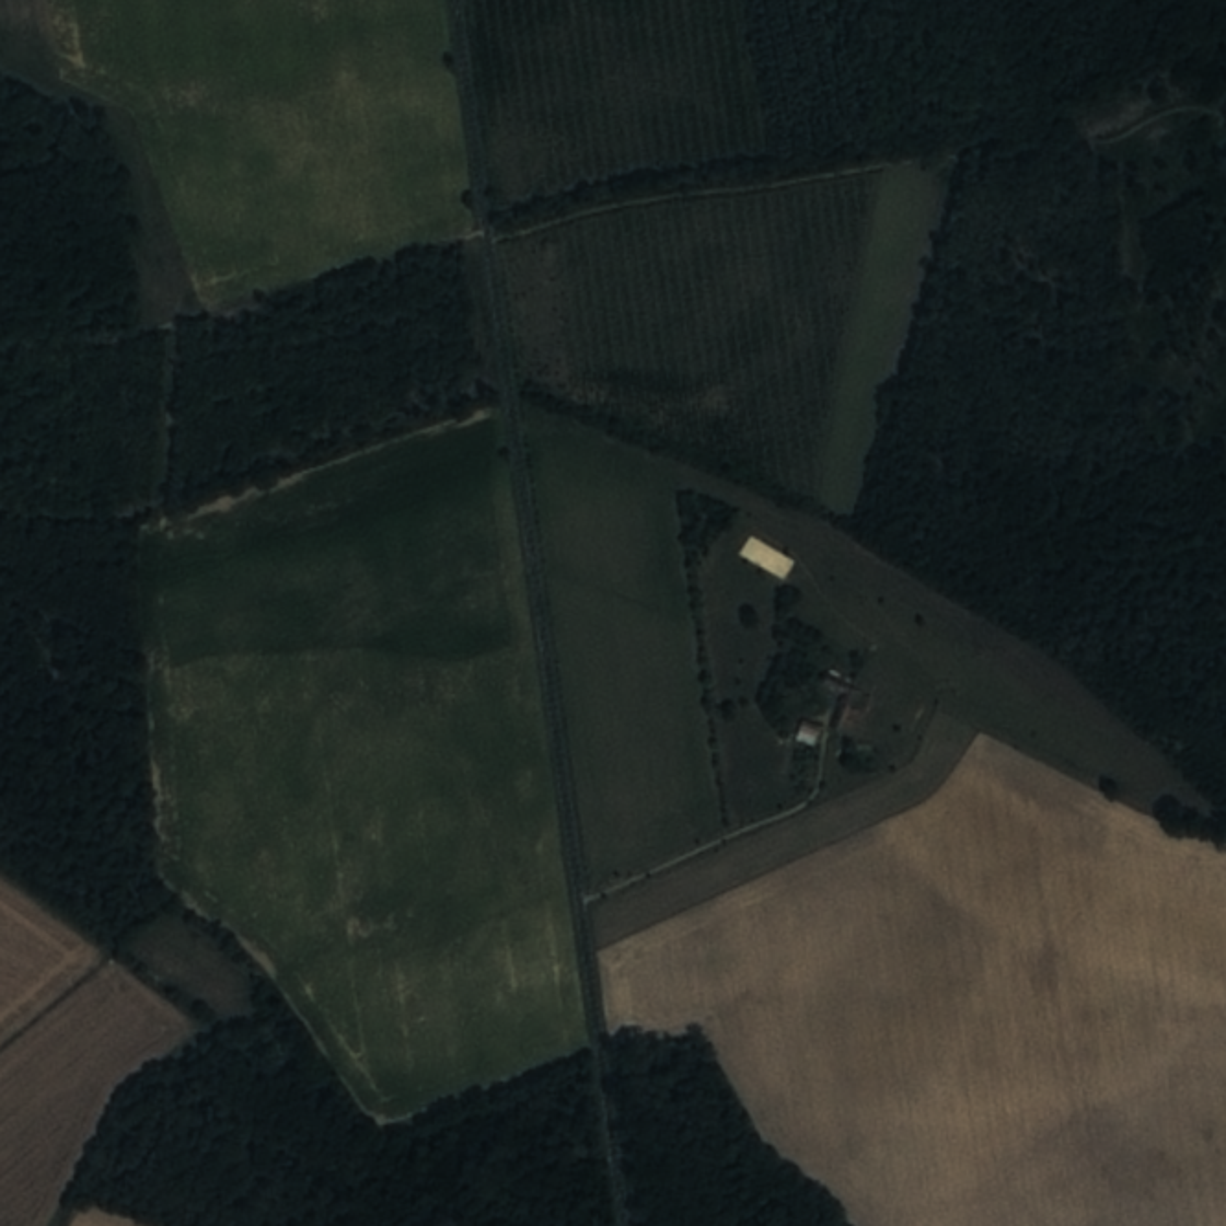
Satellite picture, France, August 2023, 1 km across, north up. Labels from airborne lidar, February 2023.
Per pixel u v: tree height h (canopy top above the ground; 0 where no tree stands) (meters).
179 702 0
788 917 0
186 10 0
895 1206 0
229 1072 20
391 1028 0
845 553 0
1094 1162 0
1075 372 19
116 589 15
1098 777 0
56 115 25
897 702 0
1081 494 19
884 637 0
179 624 0
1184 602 16
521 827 0
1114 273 16
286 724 0
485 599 0
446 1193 7
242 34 0
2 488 19
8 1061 0
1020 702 0
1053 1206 0
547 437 0
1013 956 0
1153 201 0
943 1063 0
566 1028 0
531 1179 17
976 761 0
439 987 0
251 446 13
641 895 0
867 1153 0
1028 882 0
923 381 15
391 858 0
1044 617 8
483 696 0
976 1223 0
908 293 0
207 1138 21
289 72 0
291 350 13
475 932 0
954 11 15
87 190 19
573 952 0
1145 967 0
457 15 0
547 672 0
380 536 0
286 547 0
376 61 0
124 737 16
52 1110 0
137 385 14
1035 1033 0
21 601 16
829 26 13
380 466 0
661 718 0
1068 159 21
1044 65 18
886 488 16
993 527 10
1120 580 16
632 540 0
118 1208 8
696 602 7
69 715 22
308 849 0
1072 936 0
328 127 0
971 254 18
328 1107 20
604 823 0
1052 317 14
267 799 0
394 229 0
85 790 15
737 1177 7
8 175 25
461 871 0
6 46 0
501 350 0
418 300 14
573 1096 12
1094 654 18
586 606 0
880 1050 0
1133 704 7
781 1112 0
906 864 0
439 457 0
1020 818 0
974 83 21
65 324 21
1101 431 11
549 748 0
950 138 18
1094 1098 0
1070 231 17
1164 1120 0
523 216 13
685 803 0
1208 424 0
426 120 0
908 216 0
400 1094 0
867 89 16
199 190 0
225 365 14
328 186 0
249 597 0
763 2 12
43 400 21
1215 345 15
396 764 0
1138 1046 0
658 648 0
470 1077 0
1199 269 9
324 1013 0
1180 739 7
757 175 14
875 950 0
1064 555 9
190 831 0
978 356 19
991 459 20
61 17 0
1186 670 18
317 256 0
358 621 0
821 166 12
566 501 0
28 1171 0
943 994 0
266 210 0
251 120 0
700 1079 15
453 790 0
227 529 0
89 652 15
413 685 0
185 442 12
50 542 16
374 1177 7
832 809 0
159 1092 19
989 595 7
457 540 0
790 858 0
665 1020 0
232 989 0
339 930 0
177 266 0
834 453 0
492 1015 0
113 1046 0
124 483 15
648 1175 19
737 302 0
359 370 12
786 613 8
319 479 0
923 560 11
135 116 0
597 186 8
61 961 0
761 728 0
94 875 13
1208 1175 0
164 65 0
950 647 0
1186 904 0
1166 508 16
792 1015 0
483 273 0
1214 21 20
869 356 0
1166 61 16
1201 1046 0
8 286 19
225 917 0
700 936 0
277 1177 22
